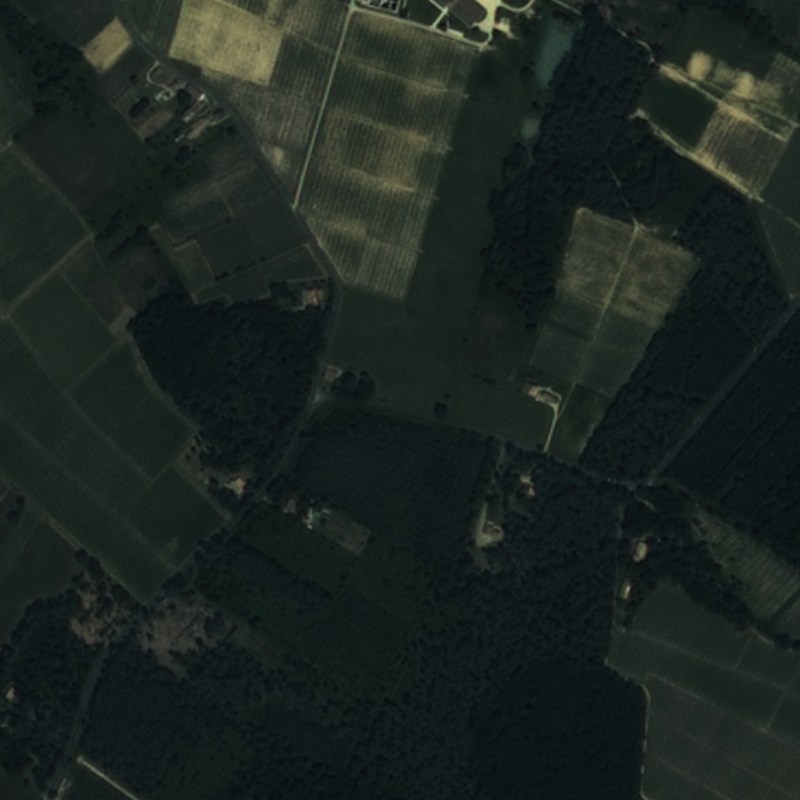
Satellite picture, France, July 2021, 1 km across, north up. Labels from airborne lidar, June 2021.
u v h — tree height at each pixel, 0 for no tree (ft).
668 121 0
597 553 87
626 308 0
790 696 0
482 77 0
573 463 0
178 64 0
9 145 0
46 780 27
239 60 0
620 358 0
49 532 0
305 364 53
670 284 0
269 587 76
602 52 81
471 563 81
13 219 0
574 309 0
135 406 0
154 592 0
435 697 74
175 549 0
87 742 55
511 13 0
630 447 76
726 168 0
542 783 61
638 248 0
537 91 0
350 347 0
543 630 72
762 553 0
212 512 0
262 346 50
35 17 0
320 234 0
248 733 44
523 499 56
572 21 54
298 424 27
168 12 0
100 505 0
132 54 0
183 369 37
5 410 0
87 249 0
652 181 38
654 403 74
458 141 0
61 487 0
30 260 0
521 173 47
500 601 71
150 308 44
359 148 0
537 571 23
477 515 30
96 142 0
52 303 0
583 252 0
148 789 41
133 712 60
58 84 84
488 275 38
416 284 0
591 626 79
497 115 0
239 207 0
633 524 65
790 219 0
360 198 0
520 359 0
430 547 22
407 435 23
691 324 31
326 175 0
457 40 0
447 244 0
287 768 84
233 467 64
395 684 38
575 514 73
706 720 0
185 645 0
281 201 0
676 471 38
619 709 62
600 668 58
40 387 0
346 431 19
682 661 0
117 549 0
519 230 56
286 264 0
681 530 54
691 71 0
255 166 0
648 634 0
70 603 77
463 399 0
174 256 0
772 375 31
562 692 41
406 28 0
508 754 41
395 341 0
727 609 46
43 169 0
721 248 70
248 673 33
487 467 33
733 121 0
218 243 0
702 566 42
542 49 0
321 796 91
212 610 0
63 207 0
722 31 0
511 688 68
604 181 65
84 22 0
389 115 0
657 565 54
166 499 0
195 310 54
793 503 20
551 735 60
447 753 73
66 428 0
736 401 36
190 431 0
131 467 0
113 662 54
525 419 0
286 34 0
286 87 0
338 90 0
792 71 0
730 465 33
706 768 0
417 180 0
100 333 0
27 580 0
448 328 0
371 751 82
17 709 41
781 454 34
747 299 71
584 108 76
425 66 0
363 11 0
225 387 27
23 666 38
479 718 76
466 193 0
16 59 0
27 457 0
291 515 32
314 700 80
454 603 77
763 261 62
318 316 35
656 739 0
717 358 37
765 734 0
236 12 0
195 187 0
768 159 0
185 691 57
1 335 0
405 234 0
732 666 0
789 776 0
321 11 0
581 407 0
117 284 0
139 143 0
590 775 69
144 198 0
